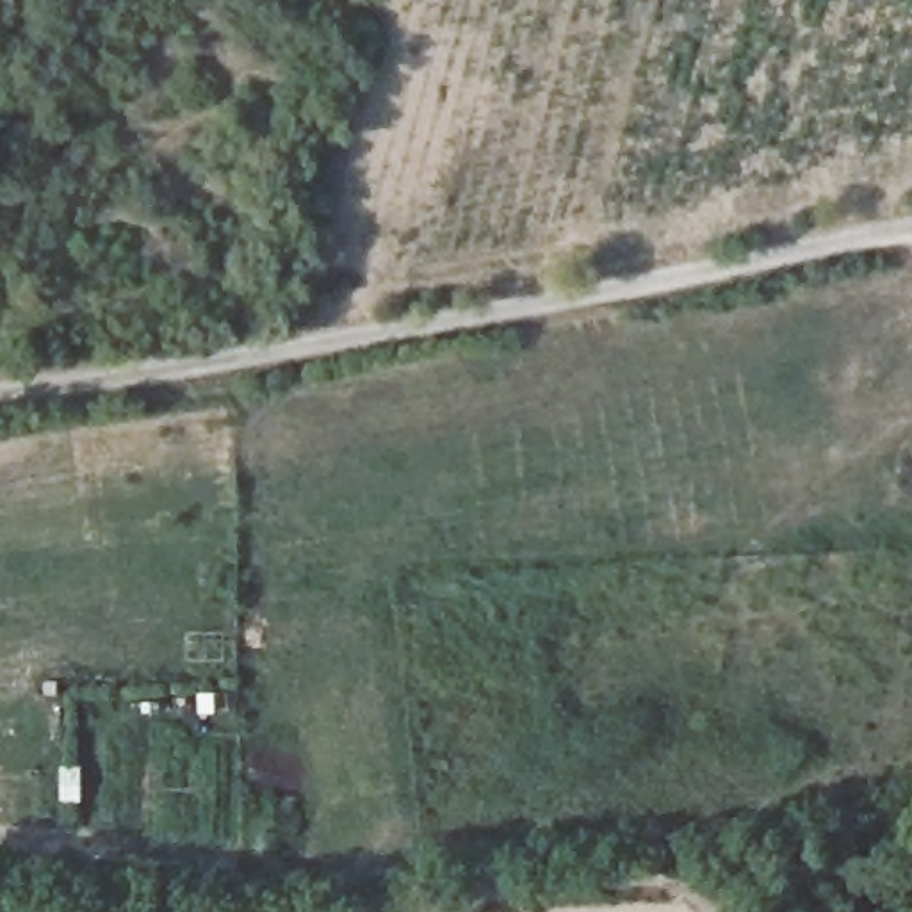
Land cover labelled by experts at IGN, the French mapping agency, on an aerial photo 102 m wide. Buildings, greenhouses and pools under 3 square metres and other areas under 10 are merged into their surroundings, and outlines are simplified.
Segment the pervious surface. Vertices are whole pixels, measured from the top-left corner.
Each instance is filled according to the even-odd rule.
[[[86,859],[128,855],[128,869],[153,880],[178,880],[182,887],[192,887],[200,873],[217,873],[271,891],[296,873],[306,880],[342,884],[346,894],[371,894],[392,866],[406,862],[406,855],[392,851],[349,848],[306,859],[289,844],[267,851],[235,851],[210,844],[157,844],[139,830],[68,837],[46,819],[21,819],[7,834],[7,827],[0,823],[0,855],[14,862],[50,862],[61,848],[78,848]]]

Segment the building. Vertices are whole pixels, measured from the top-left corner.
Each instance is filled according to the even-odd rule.
[[[196,713],[210,716],[214,695],[196,695]]]
[[[61,670],[39,666],[21,698],[39,702],[46,713],[61,702]]]
[[[57,773],[57,791],[61,802],[78,802],[82,777],[78,766],[68,766]]]

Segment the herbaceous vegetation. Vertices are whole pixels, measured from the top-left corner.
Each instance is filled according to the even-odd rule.
[[[912,135],[884,135],[884,146],[876,153],[859,150],[851,185],[873,185],[884,192],[873,221],[912,217]]]
[[[620,880],[616,901],[599,901],[591,912],[723,912],[720,898],[705,898],[673,876],[631,876]]]
[[[125,403],[135,403],[146,417],[175,410],[178,395],[185,392],[178,381],[143,381],[121,388]]]
[[[96,403],[100,388],[43,385],[25,388],[11,399],[21,410],[36,413],[46,406],[64,410],[64,417],[75,428],[86,424],[89,403]]]
[[[399,321],[410,310],[435,317],[438,310],[474,310],[488,306],[492,299],[542,292],[534,278],[513,271],[495,274],[481,285],[406,289],[374,306],[378,321]]]
[[[591,264],[606,278],[638,278],[652,267],[713,260],[709,242],[670,242],[652,253],[652,246],[641,235],[627,232],[595,246]]]

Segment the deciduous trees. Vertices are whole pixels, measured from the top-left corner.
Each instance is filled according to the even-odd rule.
[[[374,214],[363,207],[363,153],[371,150],[367,132],[388,128],[399,118],[392,100],[403,93],[399,64],[420,68],[428,53],[428,36],[410,36],[399,29],[395,14],[388,11],[392,0],[0,0],[0,438],[75,428],[64,417],[64,410],[46,406],[36,413],[21,410],[11,399],[25,388],[43,385],[39,371],[53,367],[114,367],[125,360],[153,356],[214,356],[242,342],[289,342],[314,328],[331,328],[349,310],[349,296],[363,285],[367,253],[378,235]]]
[[[200,873],[192,887],[182,887],[178,880],[153,880],[128,869],[128,855],[86,859],[78,848],[61,848],[50,862],[14,862],[0,855],[0,912],[591,912],[599,901],[616,901],[620,880],[631,876],[673,876],[705,898],[720,898],[723,912],[912,912],[912,766],[884,770],[876,777],[844,777],[837,784],[812,784],[805,791],[784,794],[777,805],[762,809],[762,816],[748,830],[741,819],[734,819],[723,834],[691,834],[684,827],[670,834],[663,848],[645,848],[638,866],[623,862],[602,841],[588,859],[581,859],[570,844],[556,837],[556,827],[534,823],[527,823],[527,841],[520,848],[499,848],[485,862],[449,862],[435,844],[420,844],[406,855],[406,862],[392,866],[371,894],[346,894],[342,884],[306,880],[296,873],[271,891],[217,873]]]
[[[178,381],[185,392],[178,395],[175,410],[224,406],[228,428],[235,431],[249,420],[253,410],[264,406],[267,395],[281,395],[299,381],[317,385],[338,381],[342,374],[360,374],[378,363],[413,363],[424,356],[438,356],[445,346],[470,363],[474,385],[488,385],[509,378],[513,356],[538,342],[545,324],[538,317],[388,338],[324,356],[299,356],[271,367],[246,367]]]
[[[86,424],[118,424],[146,417],[135,403],[125,403],[121,388],[100,388],[96,403],[89,403]]]
[[[787,296],[798,285],[827,289],[830,281],[844,278],[887,274],[905,267],[905,260],[912,257],[912,253],[905,246],[851,249],[773,267],[752,278],[730,278],[716,285],[631,299],[623,314],[631,321],[666,321],[673,314],[695,310],[727,314],[734,306],[773,303],[777,296]]]

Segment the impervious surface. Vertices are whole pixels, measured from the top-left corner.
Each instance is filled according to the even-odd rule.
[[[559,292],[542,292],[492,299],[488,306],[474,310],[438,310],[435,317],[410,310],[399,321],[378,321],[374,306],[406,289],[410,260],[395,260],[399,242],[378,235],[367,253],[363,285],[349,296],[349,310],[331,328],[314,328],[289,342],[242,342],[214,356],[153,356],[125,360],[114,367],[53,367],[39,371],[43,385],[100,388],[121,388],[143,381],[178,381],[246,367],[271,367],[299,356],[324,356],[388,338],[538,317],[631,299],[716,285],[730,278],[752,278],[773,267],[851,249],[905,246],[912,253],[912,217],[873,221],[809,232],[791,246],[748,253],[734,264],[713,260],[652,267],[638,278],[606,278],[588,292]]]

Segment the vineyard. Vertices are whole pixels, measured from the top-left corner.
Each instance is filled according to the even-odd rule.
[[[495,274],[513,271],[534,278],[542,292],[559,292],[563,267],[574,260],[574,246],[595,246],[627,232],[641,235],[652,246],[652,253],[670,242],[709,242],[748,224],[791,221],[819,200],[837,200],[851,185],[859,150],[876,153],[884,146],[884,135],[912,135],[912,0],[392,0],[388,11],[395,14],[399,29],[410,36],[428,36],[428,53],[420,68],[399,64],[403,93],[392,100],[399,118],[388,128],[367,132],[371,150],[363,153],[363,207],[374,214],[378,235],[399,242],[395,260],[410,260],[406,289],[481,285]]]

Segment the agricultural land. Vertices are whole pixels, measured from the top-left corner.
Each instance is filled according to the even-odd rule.
[[[406,819],[399,812],[392,777],[385,698],[378,691],[378,623],[367,616],[367,606],[356,606],[367,591],[367,581],[395,581],[399,566],[431,559],[481,563],[627,552],[659,545],[666,534],[698,534],[702,542],[727,542],[737,545],[737,556],[745,559],[762,559],[887,549],[894,531],[912,534],[912,257],[905,260],[905,267],[887,274],[844,278],[830,281],[827,289],[798,285],[787,296],[777,296],[773,303],[734,306],[727,314],[695,310],[673,314],[666,321],[631,321],[623,314],[631,299],[538,317],[545,324],[538,342],[513,356],[509,378],[488,385],[474,385],[470,363],[445,346],[438,356],[424,356],[413,363],[378,363],[360,374],[342,374],[338,381],[317,385],[299,381],[281,395],[267,395],[264,406],[253,410],[249,420],[235,431],[228,428],[224,406],[175,410],[146,417],[118,424],[86,424],[75,428],[0,438],[0,823],[7,827],[7,834],[21,819],[46,819],[68,837],[139,830],[157,844],[210,844],[235,851],[267,851],[289,844],[306,859],[349,848],[392,851],[392,844],[406,830]],[[21,698],[39,666],[61,670],[61,702],[46,713],[39,702]],[[214,695],[210,716],[196,713],[196,695]],[[57,791],[57,773],[68,766],[78,766],[82,777],[78,802],[61,802]]]

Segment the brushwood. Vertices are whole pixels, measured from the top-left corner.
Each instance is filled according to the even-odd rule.
[[[563,267],[559,292],[588,292],[606,278],[591,264],[595,246],[574,246],[574,260]]]
[[[819,200],[791,221],[748,224],[709,242],[713,260],[734,264],[748,253],[791,246],[809,232],[873,221],[884,192],[873,185],[851,185],[837,200]]]
[[[734,819],[741,819],[748,830],[762,816],[762,809],[777,805],[784,794],[805,791],[812,784],[837,784],[844,777],[876,777],[884,770],[912,766],[912,534],[894,531],[887,549],[762,559],[745,559],[737,556],[737,545],[727,542],[702,542],[698,534],[666,534],[659,545],[627,552],[481,563],[431,559],[399,566],[395,581],[367,581],[367,591],[356,606],[367,606],[367,616],[378,623],[378,691],[385,698],[392,777],[399,812],[406,819],[406,830],[392,844],[392,851],[406,855],[420,844],[435,844],[449,862],[485,862],[499,848],[520,848],[527,841],[527,823],[534,823],[556,827],[556,837],[570,844],[581,859],[588,859],[602,841],[623,862],[638,866],[645,848],[663,848],[670,834],[684,827],[691,834],[723,834]]]

